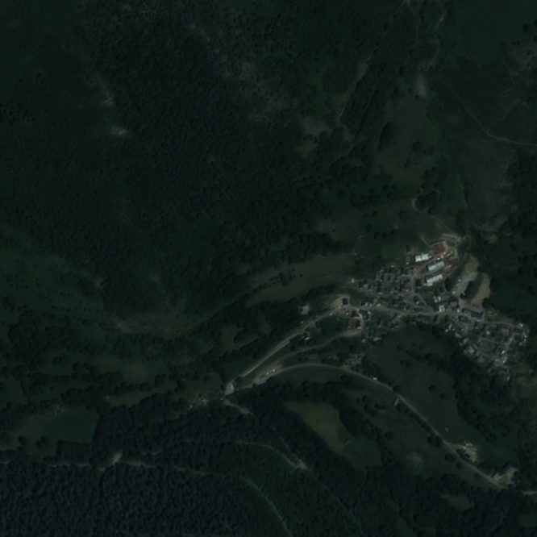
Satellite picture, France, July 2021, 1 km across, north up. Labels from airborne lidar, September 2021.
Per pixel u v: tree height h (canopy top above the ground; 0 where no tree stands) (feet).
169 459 62
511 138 0
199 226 23
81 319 26
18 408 46
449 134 0
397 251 0
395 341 0
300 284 0
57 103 18
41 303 0
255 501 51
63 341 52
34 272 0
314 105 0
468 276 0
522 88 0
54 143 20
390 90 0
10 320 0
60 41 19
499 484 0
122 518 32
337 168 63
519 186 48
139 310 26
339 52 55
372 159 42
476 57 0
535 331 35
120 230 46
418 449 0
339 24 37
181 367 23
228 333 0
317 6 33
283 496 63
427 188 55
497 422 34
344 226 0
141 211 45
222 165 27
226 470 42
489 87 0
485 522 85
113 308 24
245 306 42
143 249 36
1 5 0
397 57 0
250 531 36
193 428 70
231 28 46
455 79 0
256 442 34
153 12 42
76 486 94
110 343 27
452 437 0
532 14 0
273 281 36
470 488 56
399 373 0
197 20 49
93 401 84
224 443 42
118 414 22
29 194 44
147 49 38
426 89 0
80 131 27
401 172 0
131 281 35
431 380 0
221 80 42
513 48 0
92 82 31
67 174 22
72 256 19
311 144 0
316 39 35
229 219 26
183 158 70
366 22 39
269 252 53
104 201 30
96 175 23
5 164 25
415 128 0
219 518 85
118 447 55
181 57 62
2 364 0
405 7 0
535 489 53
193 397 0
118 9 58
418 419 41
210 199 67
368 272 0
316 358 0
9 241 31
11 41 23
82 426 0
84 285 31
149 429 38
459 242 0
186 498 73
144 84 39
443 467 0
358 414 60
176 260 39
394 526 65
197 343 33
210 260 44
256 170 33
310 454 72
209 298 61
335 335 0
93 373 55
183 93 84
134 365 0
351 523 55
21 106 53
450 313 0
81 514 86
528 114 0
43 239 49
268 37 58
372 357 0
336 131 37
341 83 0
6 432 88
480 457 0
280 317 48
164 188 69
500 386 37
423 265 0
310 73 0
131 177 62
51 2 0
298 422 85
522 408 34
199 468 29
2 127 26
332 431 0
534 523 0
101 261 48
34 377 49
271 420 66
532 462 69
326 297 0
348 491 82
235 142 70
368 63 37
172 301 31
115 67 36
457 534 18
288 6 23
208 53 75
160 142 42
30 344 63
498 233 28
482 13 0
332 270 0
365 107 37
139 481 90
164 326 0
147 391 78
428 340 0
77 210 29
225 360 56
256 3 41
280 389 91
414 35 0
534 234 60
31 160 20
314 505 33
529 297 0
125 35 37
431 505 79
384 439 59
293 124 23
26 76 30
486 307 46
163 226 61
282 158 37
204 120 51
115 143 28
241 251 43
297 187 53
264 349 77
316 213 51
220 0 0
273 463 38
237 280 64
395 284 20
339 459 75
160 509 74
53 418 0
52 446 0
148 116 54
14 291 0
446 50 0
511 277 26
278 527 29
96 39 60
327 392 62
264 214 43
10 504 94
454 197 0
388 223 0
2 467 58
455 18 0
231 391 0
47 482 90
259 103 27
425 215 0
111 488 83
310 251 40
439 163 24
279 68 30
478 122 0
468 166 0
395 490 100
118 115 25
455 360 47
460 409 49
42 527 39
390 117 0
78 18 18
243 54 46
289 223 55
